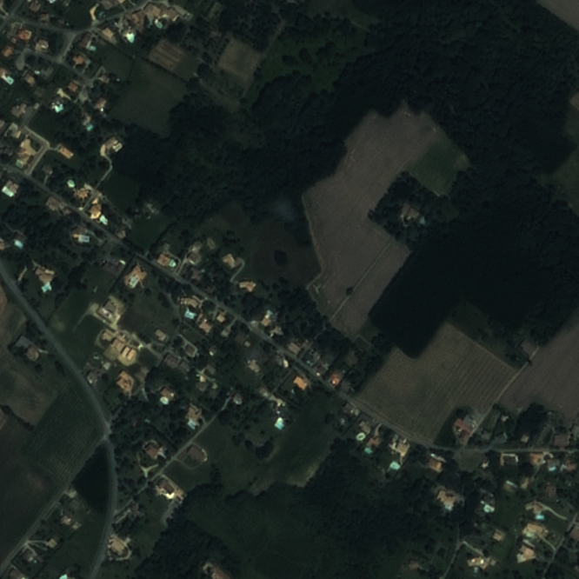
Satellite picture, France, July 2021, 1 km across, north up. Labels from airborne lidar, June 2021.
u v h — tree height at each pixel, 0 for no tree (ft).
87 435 0
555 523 0
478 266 59
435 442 0
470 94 90
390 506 33
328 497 41
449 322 0
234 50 0
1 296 0
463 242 61
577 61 41
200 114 46
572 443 23
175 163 31
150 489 26
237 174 34
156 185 54
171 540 54
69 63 26
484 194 94
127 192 0
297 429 0
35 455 0
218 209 31
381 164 0
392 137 0
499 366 0
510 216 65
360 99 24
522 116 60
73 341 0
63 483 0
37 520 0
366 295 0
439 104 62
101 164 38
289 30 40
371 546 37
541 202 105
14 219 29
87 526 0
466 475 55
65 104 29
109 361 0
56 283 34
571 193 0
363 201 0
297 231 40
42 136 0
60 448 0
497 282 61
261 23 30
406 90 84
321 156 91
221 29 29
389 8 23
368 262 0
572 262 108
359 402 0
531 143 63
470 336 0
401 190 62
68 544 0
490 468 33
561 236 100
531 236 76
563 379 0
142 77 0
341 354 21
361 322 0
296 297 54
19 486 0
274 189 60
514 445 26
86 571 0
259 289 0
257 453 36
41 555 20
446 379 0
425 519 31
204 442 0
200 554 39
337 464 36
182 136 39
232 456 0
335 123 29
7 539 0
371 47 64
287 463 0
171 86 0
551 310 62
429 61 92
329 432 0
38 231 32
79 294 0
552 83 45
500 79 37
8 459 0
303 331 44
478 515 18
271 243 0
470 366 0
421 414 0
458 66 76
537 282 66
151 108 0
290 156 72
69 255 28
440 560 0
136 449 52
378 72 57
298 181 74
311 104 88
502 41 26
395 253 0
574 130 0
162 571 46
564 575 18
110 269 0
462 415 24
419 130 0
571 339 0
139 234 0
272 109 72
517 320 51
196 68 0
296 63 25
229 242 21
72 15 0
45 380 0
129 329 0
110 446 0
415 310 58
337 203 0
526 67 41
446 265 58
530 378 0
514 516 0
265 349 29
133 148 64
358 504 19
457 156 0
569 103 37
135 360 0
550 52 28
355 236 0
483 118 84
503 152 61
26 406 0
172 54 0
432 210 32
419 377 0
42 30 22
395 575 0
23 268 23
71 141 43
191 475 0
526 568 0
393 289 41
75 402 0
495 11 38
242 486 0
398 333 51
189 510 49
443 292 57
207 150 23
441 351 0
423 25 49
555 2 0
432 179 0
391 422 0
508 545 0
